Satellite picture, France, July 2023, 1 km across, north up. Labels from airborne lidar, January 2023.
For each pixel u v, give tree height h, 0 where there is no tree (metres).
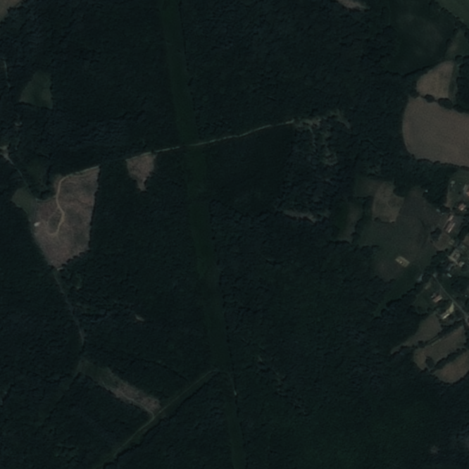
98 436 19
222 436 21
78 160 14
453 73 0
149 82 18
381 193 0
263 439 16
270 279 21
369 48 12
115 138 30
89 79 14
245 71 21
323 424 14
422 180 12
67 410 19
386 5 7
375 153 19
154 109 22
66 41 17
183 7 17
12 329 22
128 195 18
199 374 15
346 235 0
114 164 16
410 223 0
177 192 16
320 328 15
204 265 0
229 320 20
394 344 21
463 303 0
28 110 24
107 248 20
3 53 23
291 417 17
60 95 16
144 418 19
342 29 21
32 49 13
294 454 12
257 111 19
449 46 10
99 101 18
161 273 19
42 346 19
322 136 22
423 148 0
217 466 17
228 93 21
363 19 12
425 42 0
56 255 15
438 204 9
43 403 25
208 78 21
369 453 19
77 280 15
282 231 22
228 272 20
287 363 18
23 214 17
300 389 19
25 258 19
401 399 20
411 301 17
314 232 23
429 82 0
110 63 17
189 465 21
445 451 14
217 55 21
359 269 21
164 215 16
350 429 20
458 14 0
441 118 0
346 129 21
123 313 22
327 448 14
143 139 17
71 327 18
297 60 22
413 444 16
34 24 15
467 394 21
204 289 0
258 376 22
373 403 18
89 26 19
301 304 24
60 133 25
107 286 19
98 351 20
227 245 7
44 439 18
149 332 19
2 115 19
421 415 16
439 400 22
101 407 18
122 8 18
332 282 19
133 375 21
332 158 24
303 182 18
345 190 24
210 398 17
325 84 24
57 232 17
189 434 23
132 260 19
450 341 0
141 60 18
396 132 18
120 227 16
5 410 24
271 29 20
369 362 17
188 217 15
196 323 21
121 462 23
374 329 18
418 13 0
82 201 14
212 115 20
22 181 25
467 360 0
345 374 17
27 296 12
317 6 22
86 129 29
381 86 20
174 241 18
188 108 0
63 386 29
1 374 23
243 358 20
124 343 20
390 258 0
